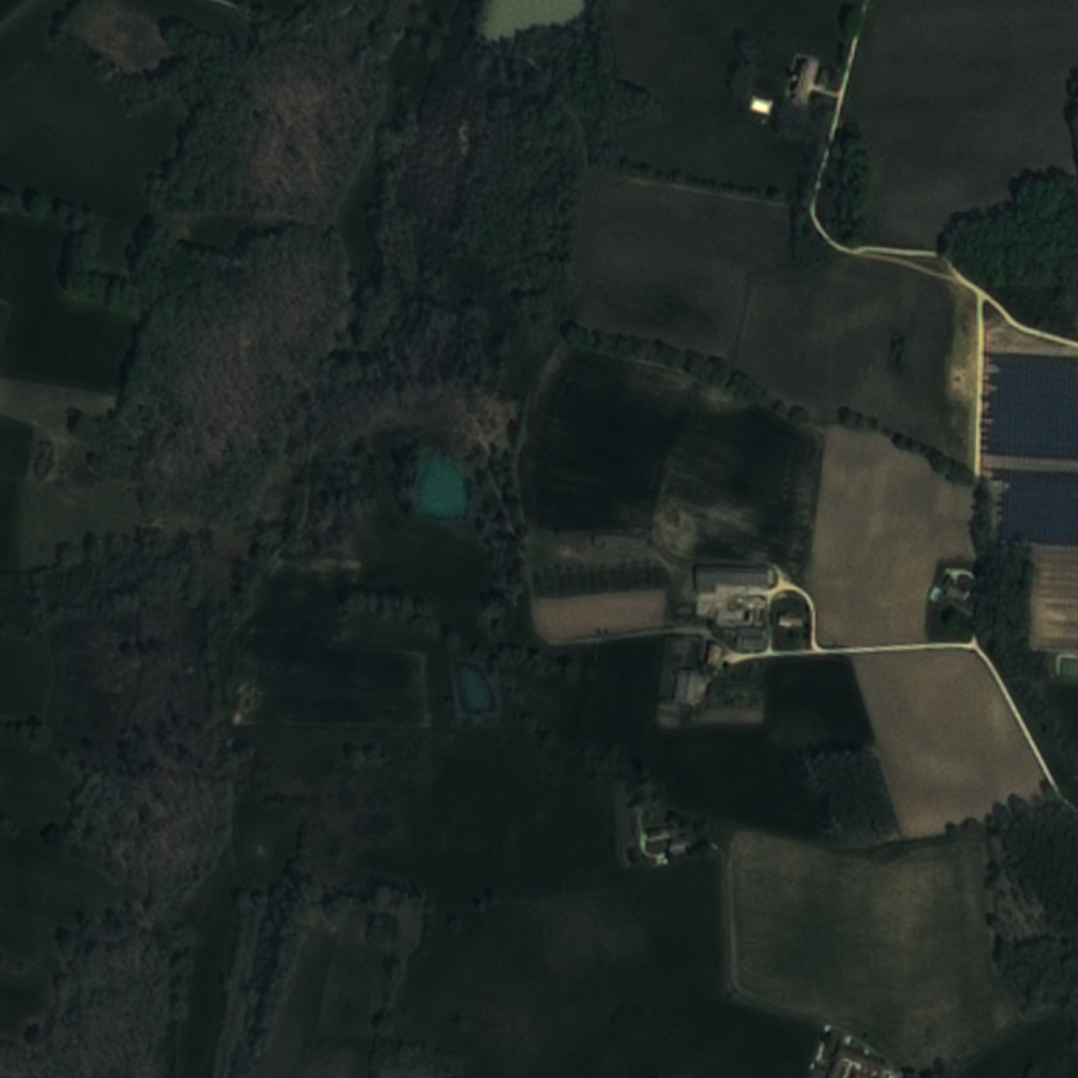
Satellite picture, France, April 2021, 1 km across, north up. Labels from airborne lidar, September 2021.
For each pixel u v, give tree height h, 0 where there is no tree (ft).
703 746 0
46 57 0
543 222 64
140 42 0
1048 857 94
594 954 0
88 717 0
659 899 0
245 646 0
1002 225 67
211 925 0
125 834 62
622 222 0
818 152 56
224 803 77
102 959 79
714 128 0
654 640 0
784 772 0
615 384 0
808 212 30
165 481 73
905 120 0
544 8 0
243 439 65
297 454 85
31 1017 0
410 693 0
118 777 30
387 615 60
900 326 0
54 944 0
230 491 67
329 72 69
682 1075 0
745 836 0
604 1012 0
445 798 0
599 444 0
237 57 68
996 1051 0
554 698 0
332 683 0
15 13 0
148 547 74
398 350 48
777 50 0
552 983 0
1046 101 0
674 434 0
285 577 0
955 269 36
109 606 29
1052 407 0
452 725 0
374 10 81
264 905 35
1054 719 56
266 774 0
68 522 0
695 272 0
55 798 0
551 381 0
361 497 45
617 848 0
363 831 0
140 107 56
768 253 0
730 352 0
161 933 46
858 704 0
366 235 0
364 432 44
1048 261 72
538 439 0
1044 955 49
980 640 45
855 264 0
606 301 0
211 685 28
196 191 56
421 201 26
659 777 0
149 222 0
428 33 0
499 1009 0
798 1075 0
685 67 0
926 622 0
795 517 0
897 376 0
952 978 0
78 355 0
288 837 0
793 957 0
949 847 0
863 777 86
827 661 0
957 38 0
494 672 45
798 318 0
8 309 0
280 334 72
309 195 69
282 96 55
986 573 54
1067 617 0
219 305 39
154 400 44
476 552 0
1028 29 0
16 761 0
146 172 0
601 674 0
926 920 0
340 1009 0
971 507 0
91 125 0
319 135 53
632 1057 0
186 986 51
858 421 46
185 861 73
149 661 75
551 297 73
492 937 0
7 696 0
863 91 0
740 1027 0
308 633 0
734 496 0
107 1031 66
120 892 0
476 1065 0
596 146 31
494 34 0
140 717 30
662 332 0
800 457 0
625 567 30
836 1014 0
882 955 0
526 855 0
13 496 0
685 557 0
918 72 0
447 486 0
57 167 0
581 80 73
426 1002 0
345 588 0
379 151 45
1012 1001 0
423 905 60
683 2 0
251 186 64
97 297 58
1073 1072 0
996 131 0
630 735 0
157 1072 0
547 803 0
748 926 0
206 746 76
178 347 58
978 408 0
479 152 47
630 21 0
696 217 0
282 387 79
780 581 0
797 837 0
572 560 0
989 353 0
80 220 62
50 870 0
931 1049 0
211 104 68
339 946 0
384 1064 21
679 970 0
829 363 0
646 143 0
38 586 25
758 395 63
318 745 0
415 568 0
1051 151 0
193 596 83
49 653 0
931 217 0
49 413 0
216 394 61
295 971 44
